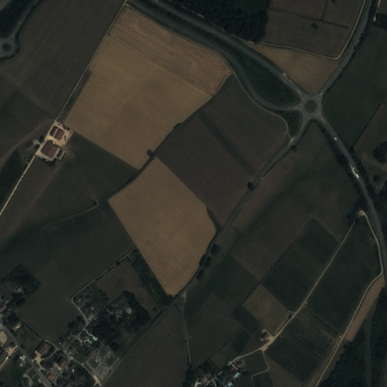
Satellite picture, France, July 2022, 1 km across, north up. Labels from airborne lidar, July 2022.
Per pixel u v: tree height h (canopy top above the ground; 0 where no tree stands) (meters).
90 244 0
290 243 0
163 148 0
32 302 0
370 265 0
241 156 0
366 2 0
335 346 0
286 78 0
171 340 0
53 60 0
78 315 0
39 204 0
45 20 0
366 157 0
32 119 0
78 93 0
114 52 0
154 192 0
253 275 0
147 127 0
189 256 0
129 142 0
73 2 0
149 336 0
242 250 0
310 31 0
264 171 0
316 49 0
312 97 0
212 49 0
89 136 0
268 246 0
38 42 0
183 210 0
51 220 0
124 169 0
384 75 0
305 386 0
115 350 18
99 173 0
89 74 0
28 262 0
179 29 0
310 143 0
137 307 21
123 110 0
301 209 0
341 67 0
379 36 0
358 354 7
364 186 0
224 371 7
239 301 0
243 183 0
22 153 0
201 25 0
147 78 0
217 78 0
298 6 0
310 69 0
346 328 0
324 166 0
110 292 0
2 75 0
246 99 0
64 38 0
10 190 0
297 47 0
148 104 0
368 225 10
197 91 0
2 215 0
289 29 0
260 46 0
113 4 0
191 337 0
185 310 0
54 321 0
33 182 0
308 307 0
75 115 0
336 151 6
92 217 0
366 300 0
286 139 0
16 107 0
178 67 0
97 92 0
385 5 0
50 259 0
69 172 0
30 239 0
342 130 0
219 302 0
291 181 0
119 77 0
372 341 7
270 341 0
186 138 0
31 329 6
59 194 0
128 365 0
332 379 11
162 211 0
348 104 0
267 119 0
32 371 0
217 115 0
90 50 0
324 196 0
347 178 0
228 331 0
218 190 0
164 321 0
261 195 0
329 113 0
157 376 0
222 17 23
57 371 0
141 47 0
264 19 25
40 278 0
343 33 0
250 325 0
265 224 0
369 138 0
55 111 0
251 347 0
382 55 0
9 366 0
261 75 0
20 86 0
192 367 18
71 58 0
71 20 0
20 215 0
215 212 0
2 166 0
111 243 0
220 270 0
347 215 0
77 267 0
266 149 0
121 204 0
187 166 0
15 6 15
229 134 0
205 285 0
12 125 0
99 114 0
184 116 0
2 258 0
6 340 0
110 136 0
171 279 0
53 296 0
